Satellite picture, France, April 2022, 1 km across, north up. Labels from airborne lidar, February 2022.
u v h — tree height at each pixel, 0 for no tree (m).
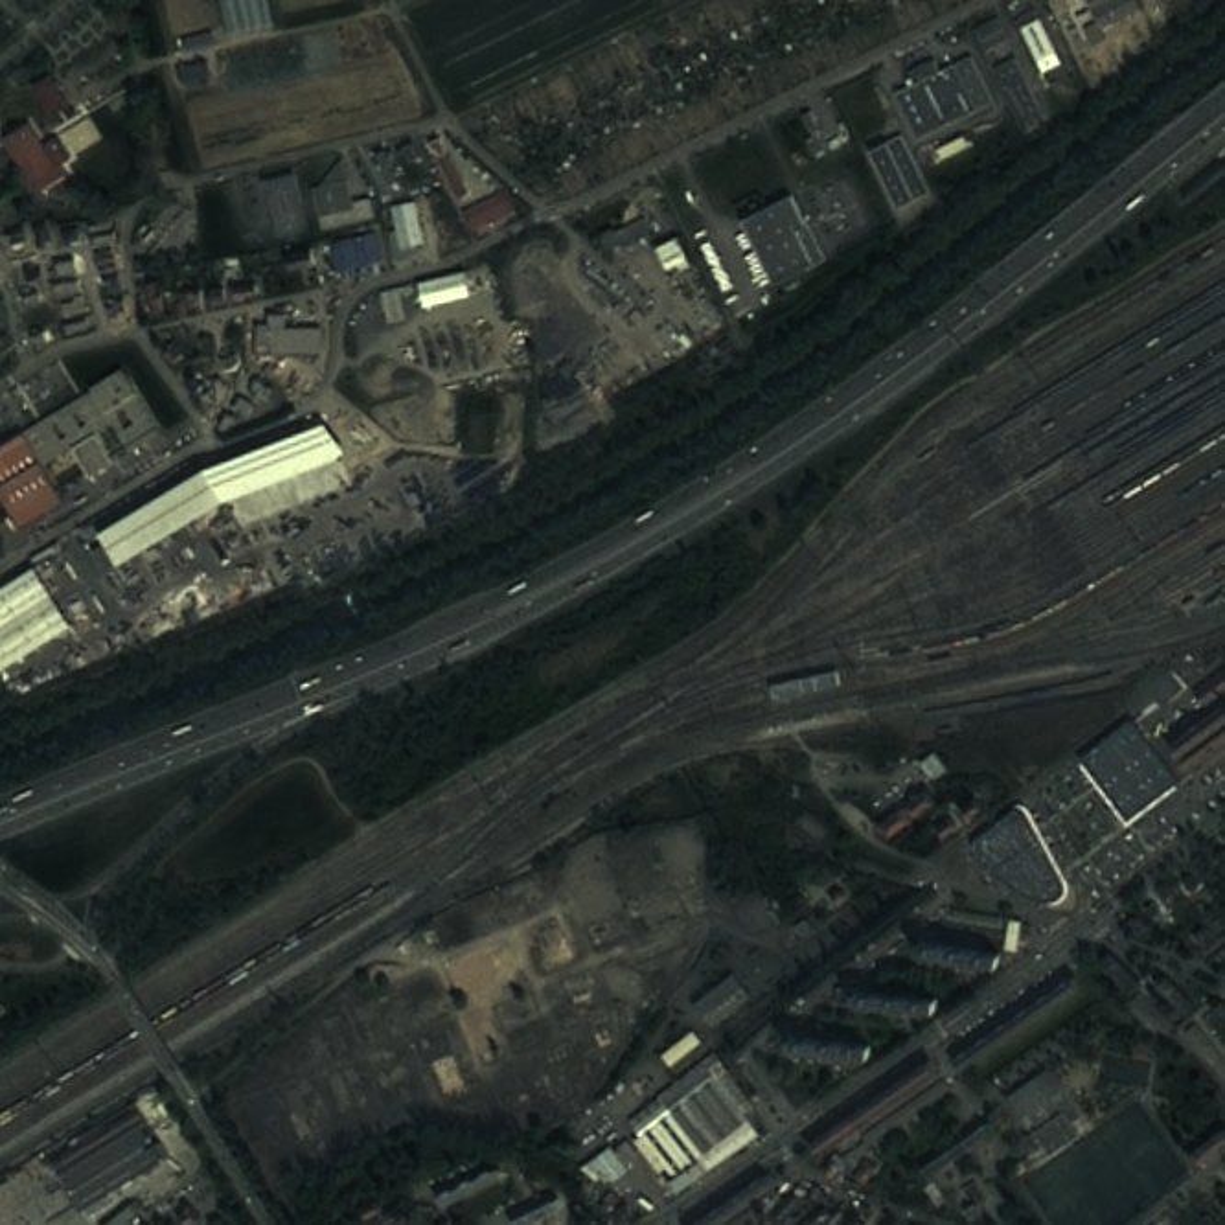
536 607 0
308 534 0
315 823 0
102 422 0
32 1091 0
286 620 10
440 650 0
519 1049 0
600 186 0
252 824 0
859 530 0
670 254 0
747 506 0
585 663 0
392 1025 0
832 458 0
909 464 0
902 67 0
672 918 0
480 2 0
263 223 0
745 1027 0
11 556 0
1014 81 0
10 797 0
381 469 0
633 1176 0
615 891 0
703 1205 9
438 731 9
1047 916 0
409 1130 7
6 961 0
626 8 0
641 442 21
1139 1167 0
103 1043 0
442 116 0
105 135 0
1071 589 0
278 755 6
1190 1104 7
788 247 0
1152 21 0
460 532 17
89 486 0
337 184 0
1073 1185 0
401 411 0
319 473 0
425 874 0
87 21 0
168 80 0
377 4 0
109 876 0
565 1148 13
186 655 22
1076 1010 0
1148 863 0
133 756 0
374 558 12
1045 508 0
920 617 0
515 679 15
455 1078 0
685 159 0
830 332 18
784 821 0
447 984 0
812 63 0
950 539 0
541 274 0
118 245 0
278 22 0
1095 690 0
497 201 0
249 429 9
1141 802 0
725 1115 0
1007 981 0
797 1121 0
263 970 0
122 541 0
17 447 0
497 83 0
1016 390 0
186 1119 13
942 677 0
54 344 0
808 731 0
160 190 24
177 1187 0
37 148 0
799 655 0
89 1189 0
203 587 0
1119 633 0
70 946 0
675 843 0
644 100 0
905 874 0
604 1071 0
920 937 0
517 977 0
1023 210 21
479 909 0
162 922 16
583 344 0
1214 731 0
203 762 0
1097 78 0
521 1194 0
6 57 0
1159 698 0
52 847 0
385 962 0
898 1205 15
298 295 0
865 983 0
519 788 0
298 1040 0
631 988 0
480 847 0
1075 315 0
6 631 0
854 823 0
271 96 0
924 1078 0
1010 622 0
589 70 0
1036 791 0
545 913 0
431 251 0
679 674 0
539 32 0
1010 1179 14
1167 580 0
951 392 0
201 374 0
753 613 0
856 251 0
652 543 0
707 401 20
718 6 0
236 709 0
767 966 0
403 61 0
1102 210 0
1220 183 0
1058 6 0
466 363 0
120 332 0
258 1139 0
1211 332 0
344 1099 0
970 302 0
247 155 0
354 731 16
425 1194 0
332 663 0
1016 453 0
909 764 0
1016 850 0
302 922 0
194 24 0
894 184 0
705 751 0
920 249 18
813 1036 0
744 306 0
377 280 0
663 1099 0
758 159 0
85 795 0
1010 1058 0
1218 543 0
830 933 0
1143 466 0
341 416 0
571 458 17
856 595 0
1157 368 0
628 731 0
